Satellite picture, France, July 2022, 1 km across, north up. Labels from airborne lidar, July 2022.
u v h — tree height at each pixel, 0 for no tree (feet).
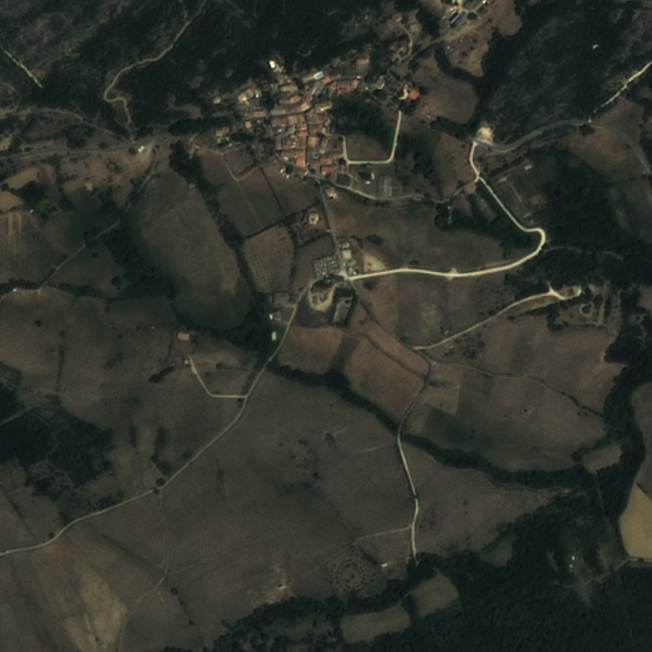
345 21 19
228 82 31
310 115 0
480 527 0
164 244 0
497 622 59
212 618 0
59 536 0
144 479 0
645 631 23
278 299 0
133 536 0
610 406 25
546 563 42
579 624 32
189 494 0
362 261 0
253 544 0
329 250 0
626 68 27
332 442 0
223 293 0
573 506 43
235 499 0
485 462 18
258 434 0
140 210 0
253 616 27
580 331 0
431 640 23
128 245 40
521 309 0
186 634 0
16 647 0
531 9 29
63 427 19
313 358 0
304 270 0
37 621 0
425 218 0
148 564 0
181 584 0
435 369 0
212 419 0
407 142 22
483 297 0
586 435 0
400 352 0
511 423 0
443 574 21
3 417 34
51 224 0
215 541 0
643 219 0
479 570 46
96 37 23
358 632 0
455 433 0
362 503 0
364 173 18
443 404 0
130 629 0
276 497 0
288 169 37
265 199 0
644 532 0
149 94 27
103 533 0
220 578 0
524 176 0
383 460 0
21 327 0
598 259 44
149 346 0
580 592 0
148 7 24
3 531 0
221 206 0
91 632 0
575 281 24
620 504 34
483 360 0
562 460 0
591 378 0
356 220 0
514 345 0
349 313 26
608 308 27
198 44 19
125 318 0
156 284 23
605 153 0
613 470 42
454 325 0
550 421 0
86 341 0
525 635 35
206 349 0
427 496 0
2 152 18
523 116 21
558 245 42
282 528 0
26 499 0
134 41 26
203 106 23
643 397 0
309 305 0
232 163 0
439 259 0
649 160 27
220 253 0
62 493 19
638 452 33
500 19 0
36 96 32
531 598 34
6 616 0
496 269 0
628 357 62
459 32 0
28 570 0
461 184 34
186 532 0
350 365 0
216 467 0
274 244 0
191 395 0
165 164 0
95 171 0
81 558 0
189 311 0
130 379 0
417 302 0
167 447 0
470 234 0
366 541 0
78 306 0
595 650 33
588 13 26
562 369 0
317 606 46
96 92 32
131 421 0
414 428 0
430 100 0
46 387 0
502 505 0
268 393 0
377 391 0
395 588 37
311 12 23
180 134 82
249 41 21
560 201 21
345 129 31
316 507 0
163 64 30
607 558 0
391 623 0
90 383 0
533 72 22
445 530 0
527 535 36
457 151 0
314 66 47
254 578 0
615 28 26
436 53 25
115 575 0
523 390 0
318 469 0
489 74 31
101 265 0
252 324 31
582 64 27
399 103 51
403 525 0
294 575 0
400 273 0
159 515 0
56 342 0
